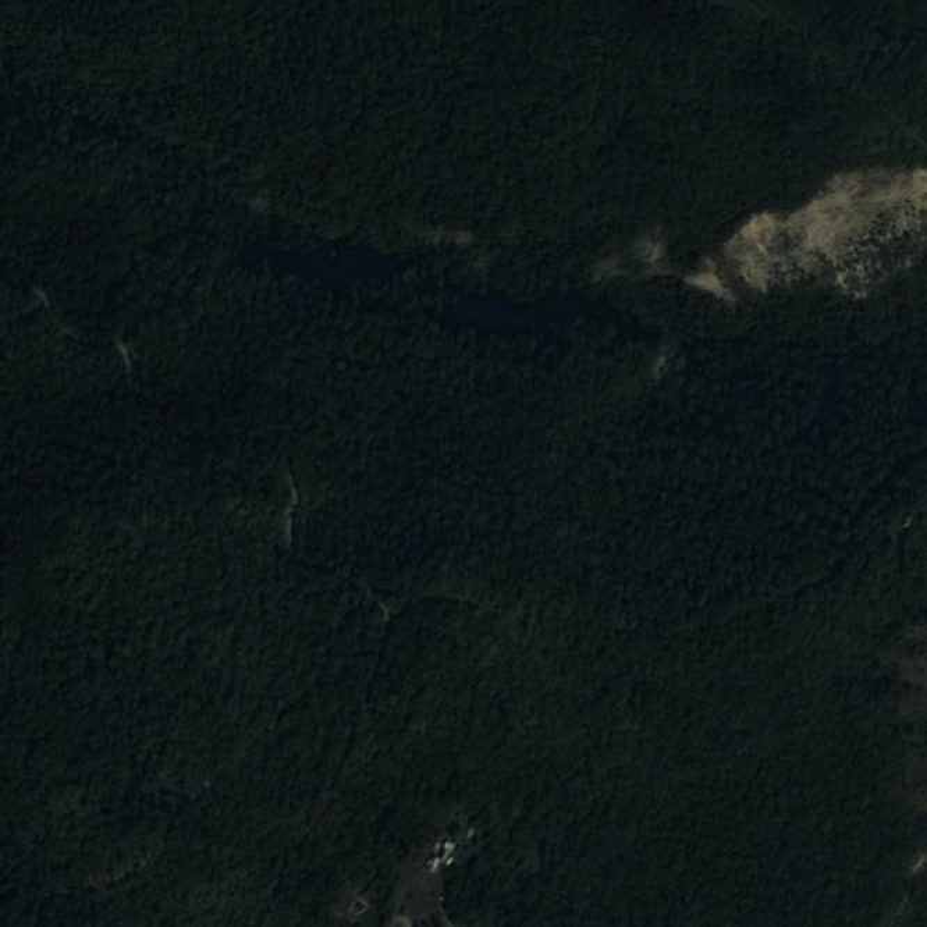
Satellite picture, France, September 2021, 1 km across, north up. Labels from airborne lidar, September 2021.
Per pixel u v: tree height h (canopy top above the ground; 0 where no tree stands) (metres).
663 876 26
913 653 11
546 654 10
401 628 17
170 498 19
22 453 24
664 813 19
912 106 16
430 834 19
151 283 26
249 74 26
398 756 22
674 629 22
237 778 12
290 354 22
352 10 24
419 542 17
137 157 16
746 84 24
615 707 19
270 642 15
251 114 24
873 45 28
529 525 20
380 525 18
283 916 20
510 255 24
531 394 27
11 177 18
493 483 20
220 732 15
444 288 11
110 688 17
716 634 17
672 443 26
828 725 15
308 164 26
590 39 25
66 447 26
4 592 17
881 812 16
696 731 18
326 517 12
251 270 11
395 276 10
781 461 15
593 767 22
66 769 16
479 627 12
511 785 20
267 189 18
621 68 22
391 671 21
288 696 13
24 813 20
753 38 15
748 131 27
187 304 25
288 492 7
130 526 14
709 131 21
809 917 21
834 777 17
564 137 12
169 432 21
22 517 26
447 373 17
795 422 24
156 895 14
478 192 19
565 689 14
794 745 16
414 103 28
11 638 19
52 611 17
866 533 8
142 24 28
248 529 13
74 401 27
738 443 19
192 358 28
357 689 22
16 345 23
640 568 17
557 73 21
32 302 21
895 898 11
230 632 12
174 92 15
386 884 17
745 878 18
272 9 13
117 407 25
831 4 28
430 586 19
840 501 18
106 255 21
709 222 14
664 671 20
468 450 22
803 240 0
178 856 11
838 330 22
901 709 7
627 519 17
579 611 17
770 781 22
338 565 21
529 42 27
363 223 15
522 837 19
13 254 34
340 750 13
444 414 29
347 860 17
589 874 25
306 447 14
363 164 26
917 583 14
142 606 19
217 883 9
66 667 19
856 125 16
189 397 29
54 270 23
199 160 7
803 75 22
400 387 21
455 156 21
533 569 26
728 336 30
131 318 22
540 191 17
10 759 22
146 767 10
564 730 16
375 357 18
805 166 27
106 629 15
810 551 23
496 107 28
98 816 11
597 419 17
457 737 20
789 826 18
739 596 20
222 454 19
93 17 27
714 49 22
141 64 18
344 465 16
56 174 24
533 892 22
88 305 20
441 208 21
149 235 13
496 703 14
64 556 11
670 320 29
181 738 15
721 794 15
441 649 18
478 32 30
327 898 19
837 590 14
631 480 25
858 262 11
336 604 20
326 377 20
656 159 22
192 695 7
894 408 22
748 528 21
